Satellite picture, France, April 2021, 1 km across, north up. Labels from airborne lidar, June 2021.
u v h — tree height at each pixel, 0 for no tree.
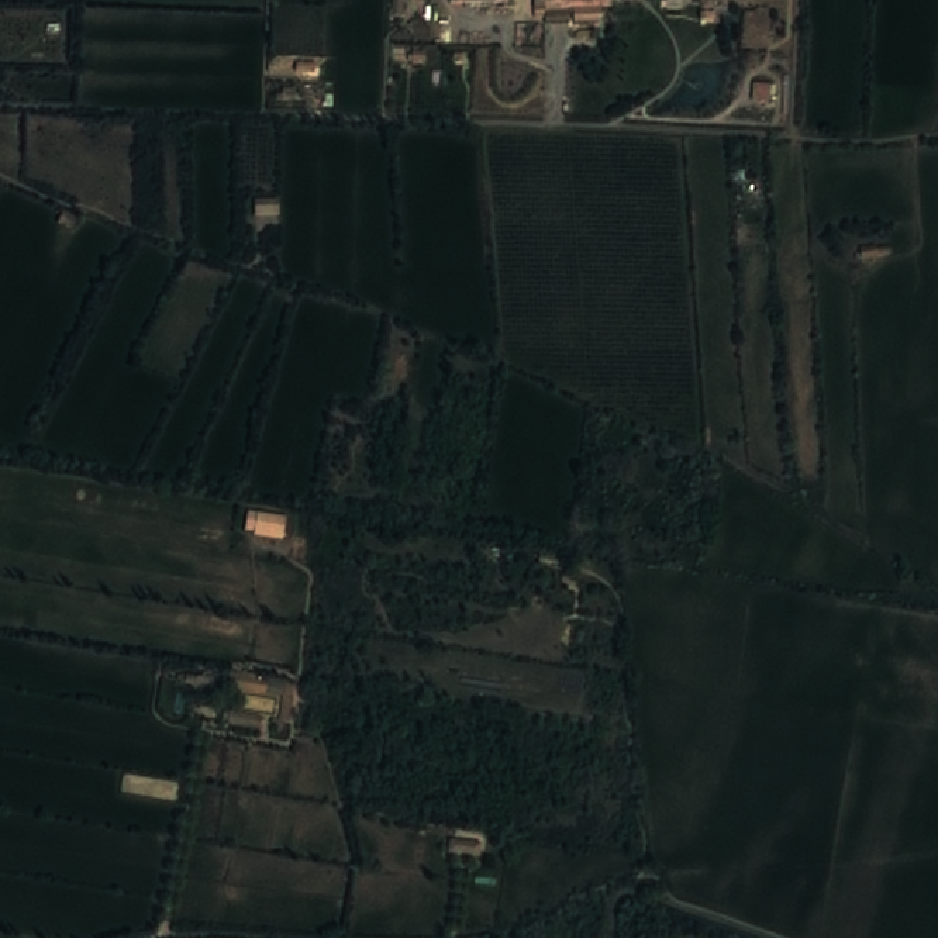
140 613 0
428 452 9
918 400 0
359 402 10
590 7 0
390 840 0
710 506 16
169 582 0
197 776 14
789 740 0
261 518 0
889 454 0
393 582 11
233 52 0
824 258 0
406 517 18
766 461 0
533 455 0
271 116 8
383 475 23
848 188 0
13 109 7
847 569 0
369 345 0
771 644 0
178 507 0
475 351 22
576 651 9
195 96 0
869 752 0
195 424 0
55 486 0
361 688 16
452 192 0
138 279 0
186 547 0
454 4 0
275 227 7
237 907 0
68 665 0
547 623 0
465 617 7
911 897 0
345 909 7
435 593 7
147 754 0
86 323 12
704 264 0
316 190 0
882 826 0
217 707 21
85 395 0
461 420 15
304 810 0
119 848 0
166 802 0
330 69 0
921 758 0
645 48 0
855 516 0
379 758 23
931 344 0
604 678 15
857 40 0
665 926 17
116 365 0
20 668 0
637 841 13
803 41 9
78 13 9
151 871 0
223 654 0
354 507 18
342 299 8
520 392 0
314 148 0
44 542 0
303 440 0
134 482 11
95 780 0
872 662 0
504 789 17
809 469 0
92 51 0
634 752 13
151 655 10
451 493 15
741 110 0
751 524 0
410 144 0
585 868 0
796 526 0
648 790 12
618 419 13
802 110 6
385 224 0
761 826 0
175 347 0
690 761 0
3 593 0
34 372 0
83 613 0
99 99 0
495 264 8
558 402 0
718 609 0
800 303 0
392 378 16
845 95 0
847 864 0
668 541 10
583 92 0
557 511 0
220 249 0
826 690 0
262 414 13
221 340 0
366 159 0
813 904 0
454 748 14
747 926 0
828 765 0
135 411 0
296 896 0
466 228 0
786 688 0
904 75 0
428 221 0
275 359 7
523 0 0
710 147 0
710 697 0
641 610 0
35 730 0
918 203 0
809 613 0
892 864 0
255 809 0
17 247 0
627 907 12
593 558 13
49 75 6
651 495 0
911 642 0
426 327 0
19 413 0
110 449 0
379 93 0
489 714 21
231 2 0
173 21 0
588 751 10
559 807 15
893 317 0
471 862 18
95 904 0
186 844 17
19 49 0
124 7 11
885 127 0
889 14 0
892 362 0
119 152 0
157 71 0
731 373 0
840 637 0
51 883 9
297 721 16
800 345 0
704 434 10
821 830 0
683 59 0
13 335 0
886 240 11
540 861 0
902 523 0
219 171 0
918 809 0
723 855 0
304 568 0
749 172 6
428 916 0
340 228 0
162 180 9
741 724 0
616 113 8
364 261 0
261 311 7
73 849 0
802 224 0
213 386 0
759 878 0
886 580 0
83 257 0
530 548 18
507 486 0
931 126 0
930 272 0
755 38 0
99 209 0
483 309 0
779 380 12
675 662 0
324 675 15
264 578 0
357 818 18
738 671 0
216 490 8
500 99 8
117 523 0
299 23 0
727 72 0
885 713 0
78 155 0
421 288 0
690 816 0
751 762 0
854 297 0
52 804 0
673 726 0
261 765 0
